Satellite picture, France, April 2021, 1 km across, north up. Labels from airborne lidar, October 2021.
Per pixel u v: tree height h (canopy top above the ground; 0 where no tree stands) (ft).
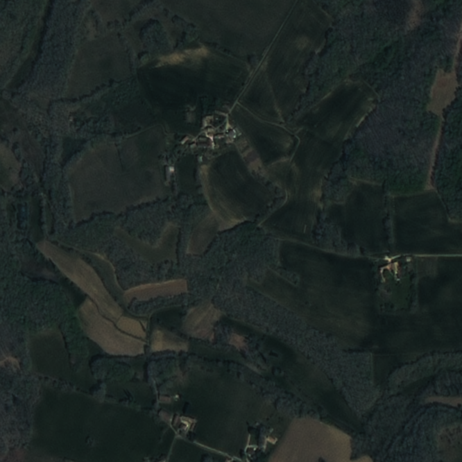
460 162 74
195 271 45
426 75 61
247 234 73
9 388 73
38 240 0
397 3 81
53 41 57
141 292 0
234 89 0
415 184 65
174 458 0
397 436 52
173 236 0
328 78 70
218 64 0
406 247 0
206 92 0
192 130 0
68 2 67
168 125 0
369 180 59
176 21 51
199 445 0
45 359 0
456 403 0
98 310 0
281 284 0
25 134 0
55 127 55
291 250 0
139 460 0
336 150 0
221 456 0
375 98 0
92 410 0
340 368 55
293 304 0
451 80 0
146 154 0
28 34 59
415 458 62
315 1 52
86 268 0
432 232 0
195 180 42
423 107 41
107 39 0
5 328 57
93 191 0
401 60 43
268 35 0
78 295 0
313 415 64
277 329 74
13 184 0
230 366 47
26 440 50
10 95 42
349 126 0
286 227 0
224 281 53
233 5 0
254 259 64
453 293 0
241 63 0
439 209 0
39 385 39
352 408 68
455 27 55
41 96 50
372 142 65
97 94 52
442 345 0
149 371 48
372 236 0
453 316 0
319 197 0
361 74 24
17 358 64
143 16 51
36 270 0
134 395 0
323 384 0
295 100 0
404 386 54
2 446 52
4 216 70
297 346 67
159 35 75
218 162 0
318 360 57
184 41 41
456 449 0
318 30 0
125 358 47
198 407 0
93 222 58
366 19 62
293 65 0
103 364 61
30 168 35
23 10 67
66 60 61
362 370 81
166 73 0
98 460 0
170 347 0
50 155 44
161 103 0
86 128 50
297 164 0
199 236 0
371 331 0
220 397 0
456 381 74
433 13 31
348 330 0
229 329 18
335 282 0
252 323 60
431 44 70
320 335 41
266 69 0
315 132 0
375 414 61
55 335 0
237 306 49
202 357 20
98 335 0
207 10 0
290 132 0
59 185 58
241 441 0
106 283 25
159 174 0
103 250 52
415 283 52
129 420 0
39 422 0
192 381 0
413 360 0
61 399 0
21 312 69
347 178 26
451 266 0
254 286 0
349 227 0
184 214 70
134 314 32
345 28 64
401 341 0
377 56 21
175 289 0
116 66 0
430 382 23
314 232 0
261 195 0
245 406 0
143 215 77
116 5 0
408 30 77
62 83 69
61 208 49
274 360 0
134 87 31
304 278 0
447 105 0
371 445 60
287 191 0
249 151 0
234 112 0
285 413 54
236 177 0
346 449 0
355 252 72
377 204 0
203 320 0
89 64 0
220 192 0
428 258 0
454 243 0
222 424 0
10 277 80
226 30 0
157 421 35
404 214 0
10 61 40
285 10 0
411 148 70
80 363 28
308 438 0
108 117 20
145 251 0
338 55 81
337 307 0
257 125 0
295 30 0
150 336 30
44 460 0
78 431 0
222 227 0
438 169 47
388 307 19
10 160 0
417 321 0
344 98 0
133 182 0
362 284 0
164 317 0
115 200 0
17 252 41
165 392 54
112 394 0
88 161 0
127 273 57
